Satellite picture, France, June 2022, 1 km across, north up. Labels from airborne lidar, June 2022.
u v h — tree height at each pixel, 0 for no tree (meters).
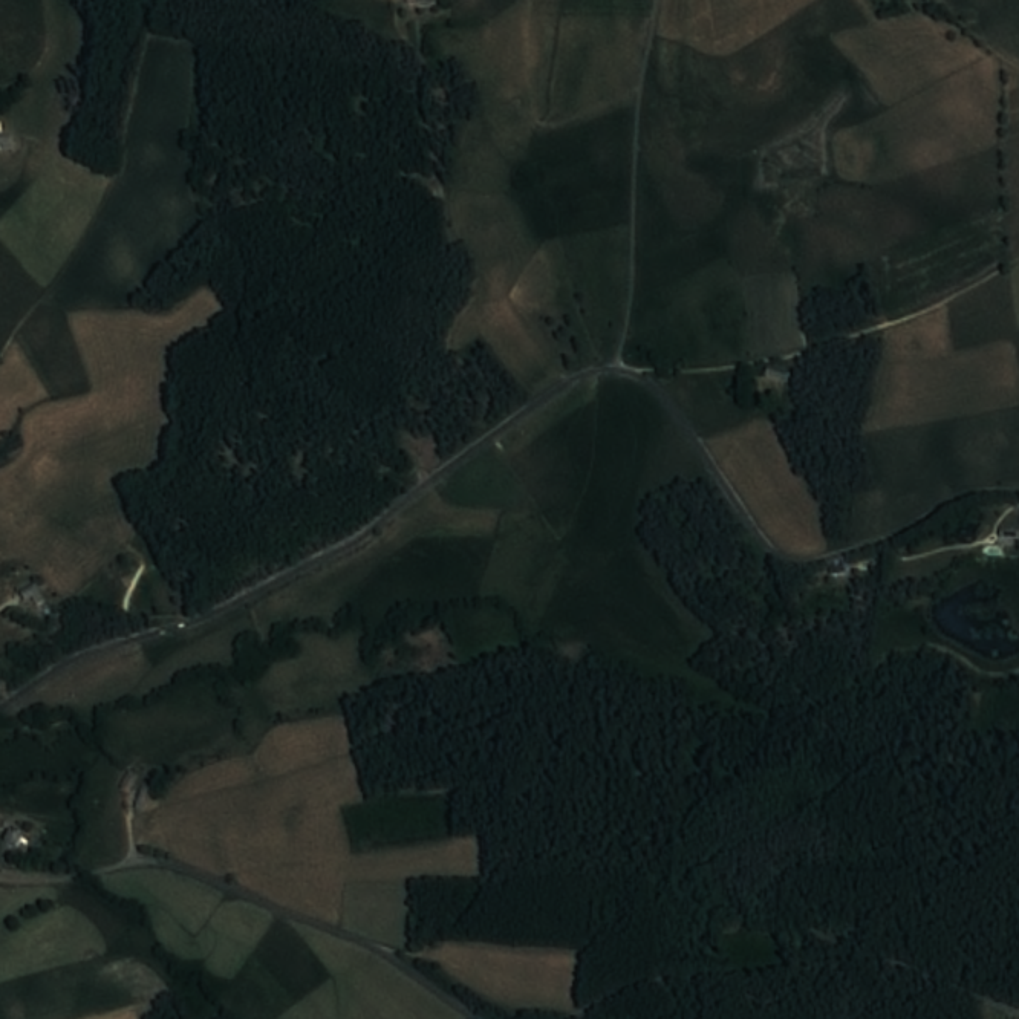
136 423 0
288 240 17
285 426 25
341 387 28
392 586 0
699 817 18
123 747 0
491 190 0
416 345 19
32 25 0
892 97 0
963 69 0
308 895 0
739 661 19
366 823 0
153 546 20
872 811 33
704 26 0
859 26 0
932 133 0
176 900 0
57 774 8
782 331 0
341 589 0
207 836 0
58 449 0
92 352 0
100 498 0
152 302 15
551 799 29
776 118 0
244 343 25
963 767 10
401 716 22
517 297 0
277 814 0
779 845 26
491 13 0
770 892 21
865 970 25
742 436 0
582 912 23
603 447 0
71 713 14
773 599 13
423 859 0
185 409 22
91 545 0
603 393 0
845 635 13
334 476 18
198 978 11
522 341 0
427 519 0
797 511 0
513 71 0
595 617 0
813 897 26
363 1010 0
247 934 0
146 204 0
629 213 0
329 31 29
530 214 0
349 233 22
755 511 0
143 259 0
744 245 0
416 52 20
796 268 7
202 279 30
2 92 16
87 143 32
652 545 20
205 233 20
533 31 0
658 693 29
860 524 0
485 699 31
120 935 0
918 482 0
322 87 24
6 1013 0
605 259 0
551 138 0
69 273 0
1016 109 0
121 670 0
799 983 27
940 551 0
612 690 27
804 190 0
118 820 0
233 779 0
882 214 0
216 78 22
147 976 0
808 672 17
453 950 0
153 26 32
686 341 0
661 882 13
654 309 0
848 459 17
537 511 0
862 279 17
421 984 0
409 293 20
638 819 26
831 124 0
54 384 0
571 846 32
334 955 0
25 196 0
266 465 16
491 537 0
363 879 0
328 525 12
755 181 0
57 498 0
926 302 0
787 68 0
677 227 0
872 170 0
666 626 0
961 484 0
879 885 33
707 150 0
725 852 21
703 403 0
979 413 0
